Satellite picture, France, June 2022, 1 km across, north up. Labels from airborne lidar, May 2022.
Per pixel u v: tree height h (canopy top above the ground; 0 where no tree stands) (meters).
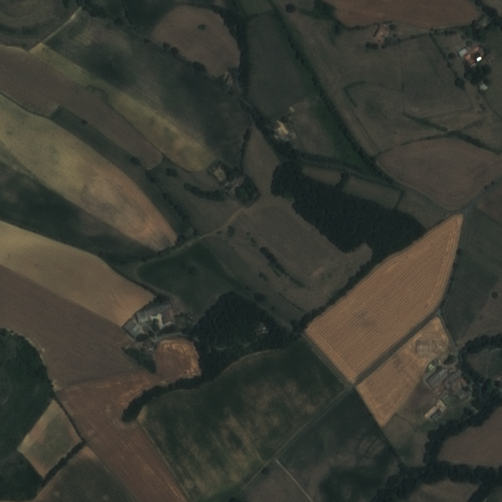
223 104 0
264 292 0
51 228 0
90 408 0
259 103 0
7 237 0
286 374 0
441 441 19
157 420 0
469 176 0
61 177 0
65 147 0
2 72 0
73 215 0
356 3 0
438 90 0
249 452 0
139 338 13
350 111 0
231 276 0
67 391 0
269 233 0
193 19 0
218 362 19
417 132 0
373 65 0
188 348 0
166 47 11
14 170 0
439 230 0
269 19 0
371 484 0
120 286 0
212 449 0
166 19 0
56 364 0
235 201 0
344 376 0
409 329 0
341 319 0
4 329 12
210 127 0
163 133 0
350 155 0
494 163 0
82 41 0
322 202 21
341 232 19
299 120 0
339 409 0
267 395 0
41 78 0
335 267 0
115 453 0
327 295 0
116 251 0
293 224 0
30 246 0
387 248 12
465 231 0
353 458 0
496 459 0
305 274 0
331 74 0
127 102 0
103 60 0
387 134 0
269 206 0
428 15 0
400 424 0
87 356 0
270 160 0
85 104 0
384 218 18
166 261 0
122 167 0
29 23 0
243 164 6
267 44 0
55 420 0
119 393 0
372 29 0
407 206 0
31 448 0
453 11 0
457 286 0
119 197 0
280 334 16
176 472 0
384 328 0
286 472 0
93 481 0
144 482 0
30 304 0
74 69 0
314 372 0
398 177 0
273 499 0
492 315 0
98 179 0
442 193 0
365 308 0
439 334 0
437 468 23
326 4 10
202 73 6
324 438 0
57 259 0
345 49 0
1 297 0
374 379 0
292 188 21
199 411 0
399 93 0
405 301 0
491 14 15
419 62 0
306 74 0
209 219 0
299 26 0
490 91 0
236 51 0
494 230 0
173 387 16
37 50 0
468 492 0
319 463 0
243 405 0
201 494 0
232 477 0
